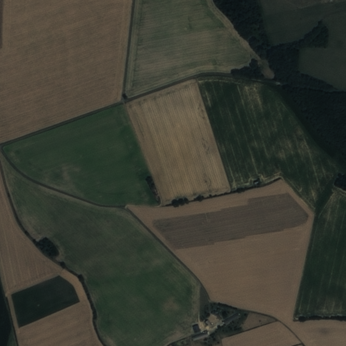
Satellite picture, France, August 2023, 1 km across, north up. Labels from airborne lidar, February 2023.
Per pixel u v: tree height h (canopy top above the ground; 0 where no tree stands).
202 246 0
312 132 0
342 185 17
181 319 0
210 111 0
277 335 0
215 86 0
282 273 0
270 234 0
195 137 0
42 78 0
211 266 0
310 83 17
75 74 0
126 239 0
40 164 0
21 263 0
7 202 0
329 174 0
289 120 0
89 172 0
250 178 0
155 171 0
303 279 0
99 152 0
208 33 0
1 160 0
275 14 0
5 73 0
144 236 0
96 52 0
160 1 0
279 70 22
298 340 0
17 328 0
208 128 0
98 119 0
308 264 0
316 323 0
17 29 0
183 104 0
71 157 0
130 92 0
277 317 0
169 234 0
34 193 0
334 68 0
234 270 0
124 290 0
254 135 0
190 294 0
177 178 0
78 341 0
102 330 0
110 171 0
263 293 0
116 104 0
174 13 0
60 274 0
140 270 0
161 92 0
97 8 0
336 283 0
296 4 0
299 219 0
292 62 21
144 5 0
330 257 0
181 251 0
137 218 0
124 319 0
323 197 0
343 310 0
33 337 0
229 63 0
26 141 0
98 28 0
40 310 0
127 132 0
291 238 0
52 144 0
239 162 0
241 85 0
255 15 19
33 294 0
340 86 0
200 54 0
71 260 0
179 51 0
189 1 0
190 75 0
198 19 0
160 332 0
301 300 0
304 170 0
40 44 0
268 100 0
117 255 0
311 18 0
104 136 0
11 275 0
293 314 0
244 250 0
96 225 0
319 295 0
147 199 0
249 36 16
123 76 0
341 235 0
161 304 0
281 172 0
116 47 0
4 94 0
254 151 0
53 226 0
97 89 0
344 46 0
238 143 0
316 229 0
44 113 0
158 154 0
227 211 0
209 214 0
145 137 0
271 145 0
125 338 0
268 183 0
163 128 0
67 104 0
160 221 0
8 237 0
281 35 0
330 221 0
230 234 0
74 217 0
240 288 0
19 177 0
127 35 0
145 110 0
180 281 0
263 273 0
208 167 0
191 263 0
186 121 0
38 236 0
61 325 0
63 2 0
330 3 0
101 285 0
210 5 0
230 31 0
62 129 0
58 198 0
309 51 0
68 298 0
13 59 0
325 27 7
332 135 17
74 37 0
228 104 0
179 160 0
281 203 0
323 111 14
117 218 0
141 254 0
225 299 0
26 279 0
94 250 0
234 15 8
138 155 0
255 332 0
